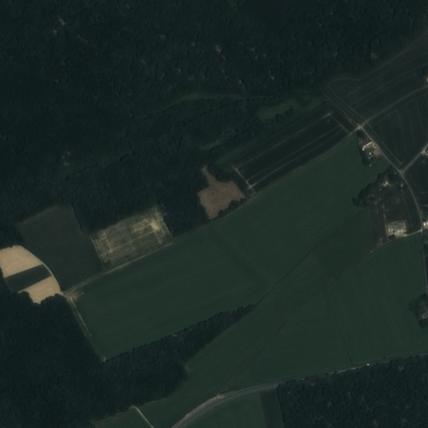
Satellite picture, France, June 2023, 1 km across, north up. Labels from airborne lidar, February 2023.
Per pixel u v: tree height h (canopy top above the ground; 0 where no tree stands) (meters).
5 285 10
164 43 20
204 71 26
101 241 0
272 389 0
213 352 0
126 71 17
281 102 13
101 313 0
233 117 24
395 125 0
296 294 0
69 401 16
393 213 0
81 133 24
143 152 22
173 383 19
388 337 0
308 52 22
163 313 0
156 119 17
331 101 0
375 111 0
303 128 0
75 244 0
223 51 24
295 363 0
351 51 20
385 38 26
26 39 24
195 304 0
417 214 0
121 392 27
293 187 0
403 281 0
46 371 23
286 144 0
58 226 0
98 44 18
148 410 0
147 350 19
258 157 0
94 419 21
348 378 8
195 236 0
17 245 19
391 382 25
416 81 0
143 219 0
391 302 0
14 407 11
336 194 0
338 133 0
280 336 0
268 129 18
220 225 0
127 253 0
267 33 14
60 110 24
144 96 23
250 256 0
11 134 20
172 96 17
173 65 17
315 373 0
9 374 26
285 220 0
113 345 0
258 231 0
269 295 0
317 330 0
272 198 0
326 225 0
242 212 0
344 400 22
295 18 23
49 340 29
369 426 21
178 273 0
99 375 25
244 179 0
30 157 19
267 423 0
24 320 26
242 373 0
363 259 0
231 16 14
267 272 0
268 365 0
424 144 0
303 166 0
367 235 0
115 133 22
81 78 23
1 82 24
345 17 18
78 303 0
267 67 26
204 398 0
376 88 0
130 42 21
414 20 26
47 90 24
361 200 15
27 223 0
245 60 21
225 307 0
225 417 0
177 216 23
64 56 25
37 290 0
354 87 0
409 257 0
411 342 0
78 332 25
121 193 22
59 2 24
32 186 22
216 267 0
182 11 15
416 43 0
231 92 18
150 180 22
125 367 23
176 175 24
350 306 0
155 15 18
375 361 0
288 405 24
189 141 26
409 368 21
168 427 0
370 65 13
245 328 0
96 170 20
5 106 23
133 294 0
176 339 8
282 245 0
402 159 0
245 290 0
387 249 0
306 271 0
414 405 23
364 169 0
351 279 0
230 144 7
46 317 26
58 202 21
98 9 26
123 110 24
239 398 0
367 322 0
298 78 19
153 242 0
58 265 0
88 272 0
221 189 0
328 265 0
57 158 21
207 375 0
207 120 22
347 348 0
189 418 0
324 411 25
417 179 0
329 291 0
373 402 25
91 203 22
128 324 0
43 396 11
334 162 0
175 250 0
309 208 0
